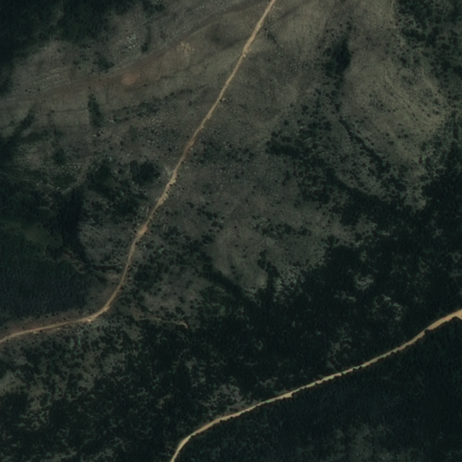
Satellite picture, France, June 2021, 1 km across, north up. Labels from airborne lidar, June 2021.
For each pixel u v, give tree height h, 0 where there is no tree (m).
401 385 6
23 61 0
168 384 11
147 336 8
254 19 0
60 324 0
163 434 7
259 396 7
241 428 8
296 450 6
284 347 12
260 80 0
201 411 9
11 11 11
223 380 9
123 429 10
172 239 8
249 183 0
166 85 0
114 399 8
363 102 0
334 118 0
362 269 8
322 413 10
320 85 0
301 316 9
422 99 0
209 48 0
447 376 10
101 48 0
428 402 13
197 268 6
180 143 0
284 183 10
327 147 7
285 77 0
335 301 6
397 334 8
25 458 6
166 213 8
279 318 8
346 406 12
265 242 0
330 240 7
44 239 0
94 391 6
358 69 0
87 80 0
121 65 0
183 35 0
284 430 7
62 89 0
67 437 9
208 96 0
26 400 7
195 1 0
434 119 0
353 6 0
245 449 9
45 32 0
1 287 10
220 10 0
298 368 8
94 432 6
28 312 8
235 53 0
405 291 8
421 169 0
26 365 8
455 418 12
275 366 8
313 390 6
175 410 8
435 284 7
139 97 0
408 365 7
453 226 10
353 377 13
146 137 0
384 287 9
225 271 0
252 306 14
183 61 0
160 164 0
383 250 8
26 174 0
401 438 7
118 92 0
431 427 10
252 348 7
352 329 6
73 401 9
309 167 7
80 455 7
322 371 10
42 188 0
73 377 8
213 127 0
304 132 8
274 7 0
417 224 10
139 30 0
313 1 0
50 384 7
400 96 0
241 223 0
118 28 0
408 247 12
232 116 0
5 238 8
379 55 0
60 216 10
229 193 0
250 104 0
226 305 8
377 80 0
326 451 8
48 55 0
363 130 0
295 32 0
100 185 10
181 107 0
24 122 7
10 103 0
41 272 9
